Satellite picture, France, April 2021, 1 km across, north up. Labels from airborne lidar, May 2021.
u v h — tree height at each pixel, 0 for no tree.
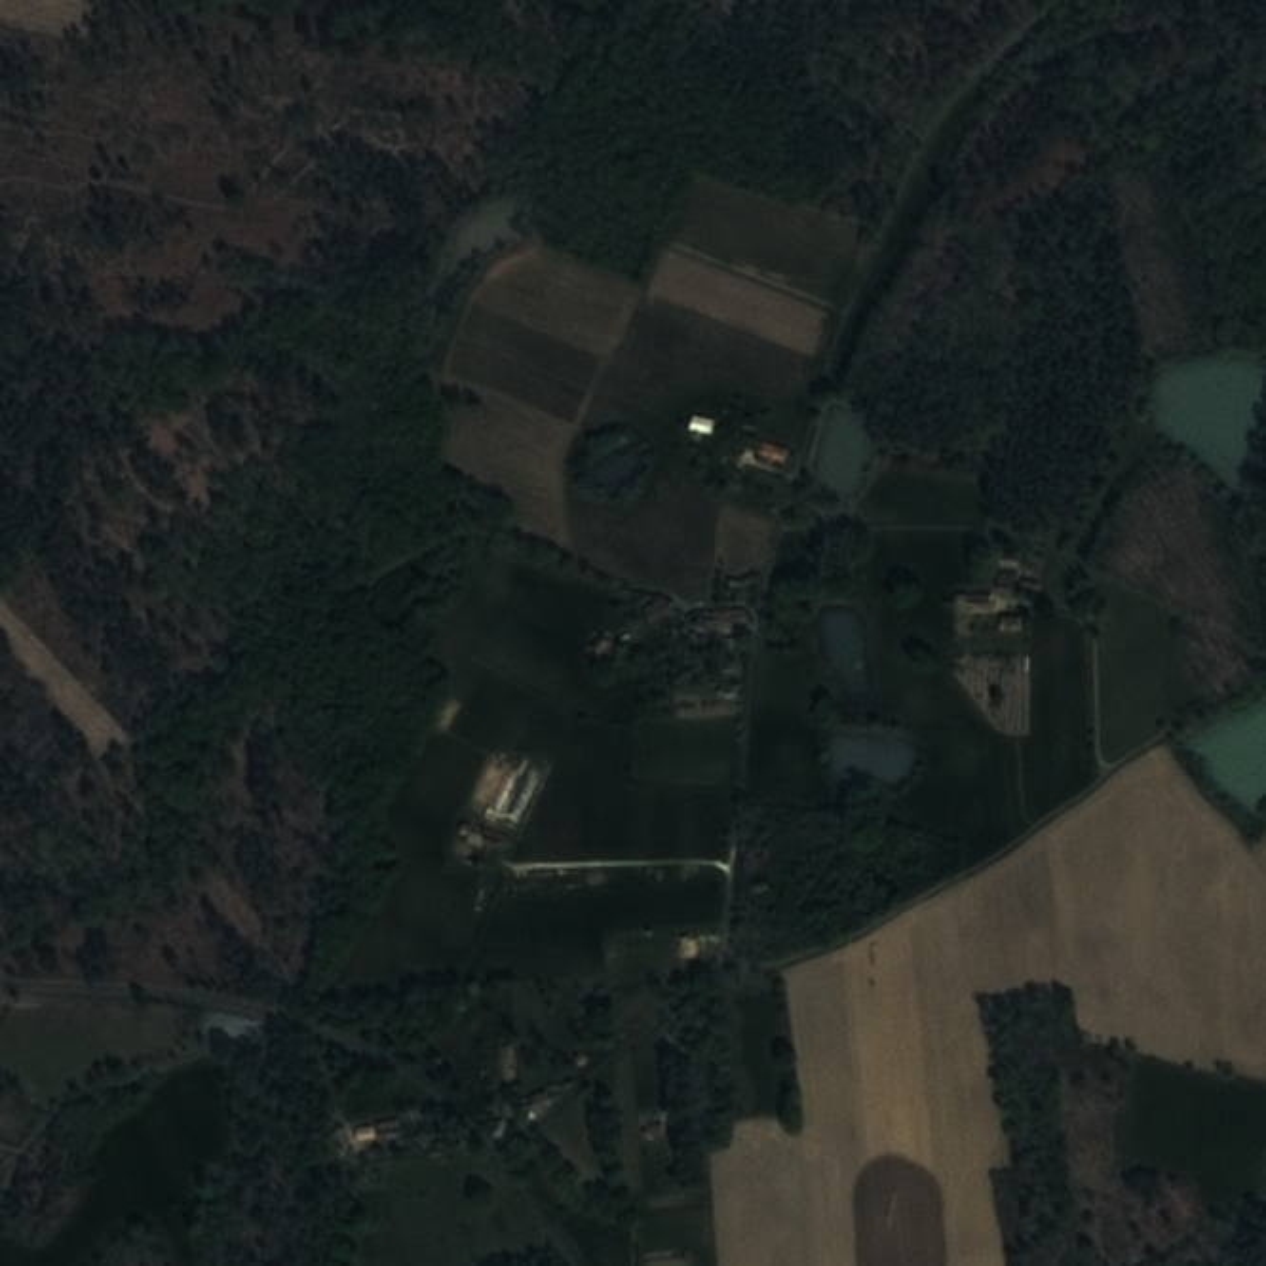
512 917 0
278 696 16
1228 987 0
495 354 0
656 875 0
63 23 0
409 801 0
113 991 0
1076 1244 8
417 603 12
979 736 0
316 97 15
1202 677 17
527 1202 0
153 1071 9
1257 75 16
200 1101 0
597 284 0
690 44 13
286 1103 17
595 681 13
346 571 24
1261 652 19
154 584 16
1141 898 0
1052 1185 14
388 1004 20
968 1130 0
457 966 0
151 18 20
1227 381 0
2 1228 12
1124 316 22
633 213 17
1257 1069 0
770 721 0
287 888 20
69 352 13
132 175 19
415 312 25
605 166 19
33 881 16
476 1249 0
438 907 0
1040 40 14
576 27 22
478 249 0
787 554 0
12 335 18
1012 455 17
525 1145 17
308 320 18
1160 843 0
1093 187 12
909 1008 0
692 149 20
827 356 0
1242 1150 0
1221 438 0
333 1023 16
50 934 17
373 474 21
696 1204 0
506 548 11
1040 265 21
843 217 9
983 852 0
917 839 7
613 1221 14
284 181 10
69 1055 0
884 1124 0
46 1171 7
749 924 6
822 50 13
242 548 19
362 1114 0
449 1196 0
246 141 13
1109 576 17
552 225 15
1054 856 0
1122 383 13
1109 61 21
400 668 22
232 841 9
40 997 0
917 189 0
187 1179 0
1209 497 18
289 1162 13
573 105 21
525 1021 0
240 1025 0
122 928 11
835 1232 0
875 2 6
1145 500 21
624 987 0
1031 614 9
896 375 13
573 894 0
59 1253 0
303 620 25
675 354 0
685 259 0
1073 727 0
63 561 27
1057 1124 16
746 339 0
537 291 0
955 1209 0
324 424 16
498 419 0
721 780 0
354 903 23
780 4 18
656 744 0
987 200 26
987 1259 0
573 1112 0
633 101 20
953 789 0
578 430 0
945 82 18
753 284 0
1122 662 0
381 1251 0
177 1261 0
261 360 23
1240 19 21
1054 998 15
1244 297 20
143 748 19
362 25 18
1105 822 0
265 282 15
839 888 9
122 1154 0
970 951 0
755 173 20
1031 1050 12
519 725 0
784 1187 0
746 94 22
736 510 0
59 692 0
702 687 9
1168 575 21
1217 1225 15
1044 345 23
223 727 22
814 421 10
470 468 0
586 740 0
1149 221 23
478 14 23
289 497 25
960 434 19
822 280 0
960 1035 0
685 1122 17
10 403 22
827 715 15
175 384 21
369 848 19
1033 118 20
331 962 22
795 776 0
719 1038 15
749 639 18
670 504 0
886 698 0
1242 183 22
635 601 7
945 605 8
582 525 0
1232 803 7
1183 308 19
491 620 0
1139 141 23
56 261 8
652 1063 0
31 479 13
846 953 0
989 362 21
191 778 28
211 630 12
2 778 22
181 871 22
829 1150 0
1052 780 0
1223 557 21
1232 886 0
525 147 27
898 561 0
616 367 0
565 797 0
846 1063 0
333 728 20
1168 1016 0
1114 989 0
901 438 18
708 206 0
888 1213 0
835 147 25
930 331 11
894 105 14
